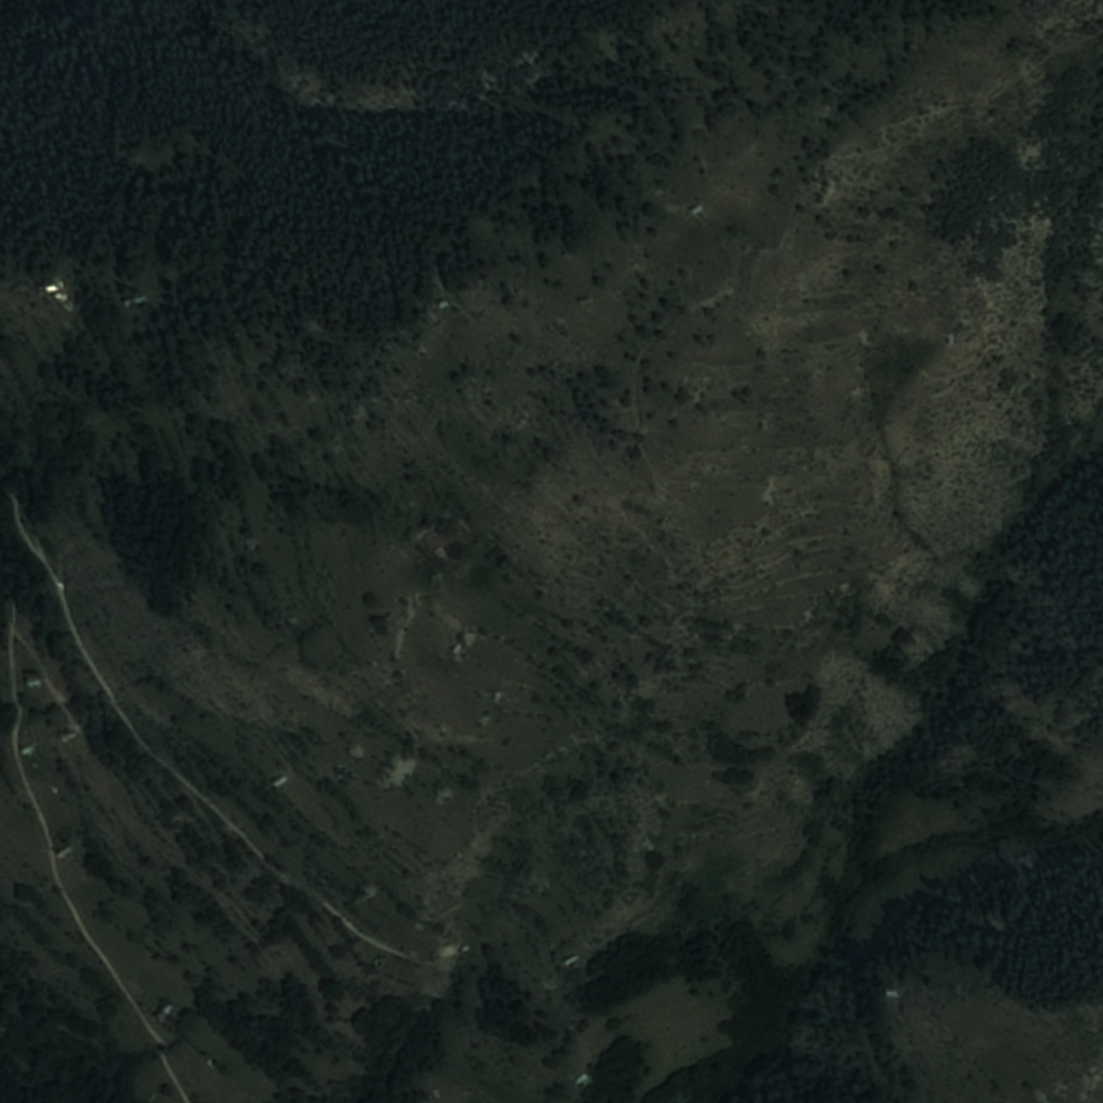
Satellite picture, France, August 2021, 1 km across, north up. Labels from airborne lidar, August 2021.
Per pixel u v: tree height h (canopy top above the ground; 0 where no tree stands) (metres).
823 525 0
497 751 0
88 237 21
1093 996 10
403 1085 12
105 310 14
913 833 0
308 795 0
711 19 9
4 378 9
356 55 12
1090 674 15
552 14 18
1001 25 0
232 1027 13
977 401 0
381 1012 15
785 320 0
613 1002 18
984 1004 0
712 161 0
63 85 22
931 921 21
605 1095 10
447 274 18
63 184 16
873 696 0
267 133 11
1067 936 18
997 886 23
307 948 12
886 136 0
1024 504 6
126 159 8
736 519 0
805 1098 18
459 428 0
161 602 17
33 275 13
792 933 9
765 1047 9
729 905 7
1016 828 10
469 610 0
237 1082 0
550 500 0
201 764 9
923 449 0
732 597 0
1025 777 23
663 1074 0
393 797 0
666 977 16
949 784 9
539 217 14
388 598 0
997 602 22
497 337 0
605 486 0
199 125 12
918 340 0
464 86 12
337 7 23
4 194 23
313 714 0
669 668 7
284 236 22
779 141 0
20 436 14
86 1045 11
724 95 14
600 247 0
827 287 0
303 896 7
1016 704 0
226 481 17
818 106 0
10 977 16
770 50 7
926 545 9
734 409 0
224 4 8
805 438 0
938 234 7
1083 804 0
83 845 8
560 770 0
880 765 11
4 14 13
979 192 11
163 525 25
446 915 0
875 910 0
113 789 0
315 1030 10
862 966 7
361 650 0
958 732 10
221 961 0
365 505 6
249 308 15
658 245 0
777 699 0
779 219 0
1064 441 6
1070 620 7
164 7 23
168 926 19
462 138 16
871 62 0
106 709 11
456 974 10
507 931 0
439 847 0
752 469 0
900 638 14
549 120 13
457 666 0
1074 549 6
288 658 0
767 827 0
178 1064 0
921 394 0
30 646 0
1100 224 10
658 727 8
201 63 10
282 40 10
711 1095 7
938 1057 0
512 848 6
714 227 0
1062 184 8
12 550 17
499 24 20
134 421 8
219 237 26
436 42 10
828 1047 6
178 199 26
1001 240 9
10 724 7
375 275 17
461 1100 0
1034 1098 0
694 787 0
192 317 16
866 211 9
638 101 14
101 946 0
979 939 24
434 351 0
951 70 0
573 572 0
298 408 0
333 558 0
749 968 10
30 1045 8
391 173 21
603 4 22
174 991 0
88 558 0
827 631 0
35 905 9
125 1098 15
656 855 10
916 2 17
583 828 6
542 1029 13
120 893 22
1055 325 13
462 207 18
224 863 6
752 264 0
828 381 0
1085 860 11
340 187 22
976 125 0
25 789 0
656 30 0
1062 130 11
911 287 8
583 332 0
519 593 0
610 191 19
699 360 0
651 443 0
